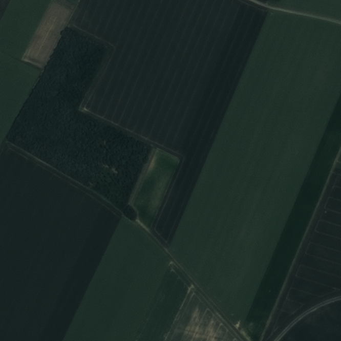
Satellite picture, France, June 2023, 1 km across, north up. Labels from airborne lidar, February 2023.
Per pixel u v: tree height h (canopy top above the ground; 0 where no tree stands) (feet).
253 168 0
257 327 0
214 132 0
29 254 0
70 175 43
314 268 0
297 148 0
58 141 38
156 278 0
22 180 0
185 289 0
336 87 0
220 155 0
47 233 0
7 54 0
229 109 0
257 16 0
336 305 0
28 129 40
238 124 0
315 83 0
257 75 0
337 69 0
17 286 0
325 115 0
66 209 0
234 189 0
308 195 0
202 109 0
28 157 0
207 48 0
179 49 0
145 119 0
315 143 0
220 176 0
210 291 0
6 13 0
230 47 0
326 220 0
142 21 0
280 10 0
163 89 0
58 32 0
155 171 0
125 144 53
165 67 0
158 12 0
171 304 0
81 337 0
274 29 0
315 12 0
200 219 0
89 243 0
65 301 0
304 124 0
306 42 0
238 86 0
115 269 0
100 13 0
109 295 0
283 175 0
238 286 0
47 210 0
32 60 0
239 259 0
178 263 0
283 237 0
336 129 0
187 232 0
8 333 0
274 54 0
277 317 0
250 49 0
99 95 0
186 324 0
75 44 59
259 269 0
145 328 0
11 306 0
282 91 0
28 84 0
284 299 0
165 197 0
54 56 36
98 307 0
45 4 0
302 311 0
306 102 0
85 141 61
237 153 0
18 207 0
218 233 0
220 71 0
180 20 0
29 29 0
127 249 0
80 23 0
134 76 0
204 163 0
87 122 42
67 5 0
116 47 0
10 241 0
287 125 0
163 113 0
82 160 62
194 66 0
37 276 0
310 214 0
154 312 0
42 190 0
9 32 0
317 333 0
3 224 0
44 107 63
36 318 0
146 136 0
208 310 0
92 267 0
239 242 0
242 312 0
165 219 0
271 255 0
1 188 0
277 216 0
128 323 0
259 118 0
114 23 0
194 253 0
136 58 0
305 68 0
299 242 0
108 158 74
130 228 0
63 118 57
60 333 0
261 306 0
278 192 0
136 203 0
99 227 0
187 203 0
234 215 0
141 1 0
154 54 0
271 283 0
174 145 0
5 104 0
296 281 0
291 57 0
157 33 0
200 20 0
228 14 0
